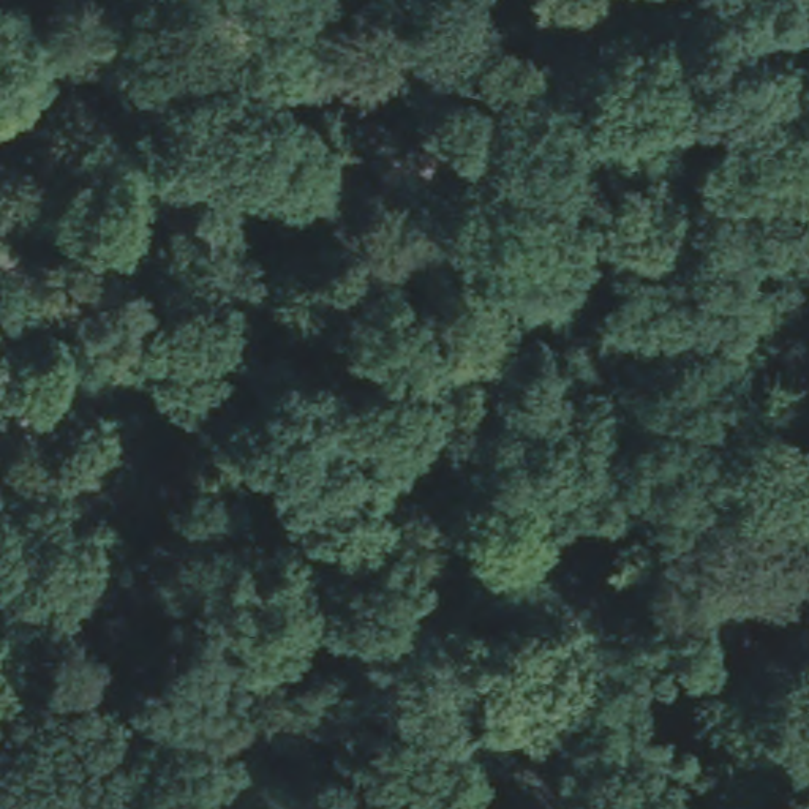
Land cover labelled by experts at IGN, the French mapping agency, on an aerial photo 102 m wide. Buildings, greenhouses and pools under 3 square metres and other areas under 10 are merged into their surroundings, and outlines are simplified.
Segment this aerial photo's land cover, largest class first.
<instances>
[{"label":"deciduous trees","instance_id":"1","mask_svg":"<svg viewBox=\"0 0 809 809\"><path fill-rule=\"evenodd\" d=\"M0 809H809V0H0Z\"/></svg>","mask_w":809,"mask_h":809}]
</instances>
